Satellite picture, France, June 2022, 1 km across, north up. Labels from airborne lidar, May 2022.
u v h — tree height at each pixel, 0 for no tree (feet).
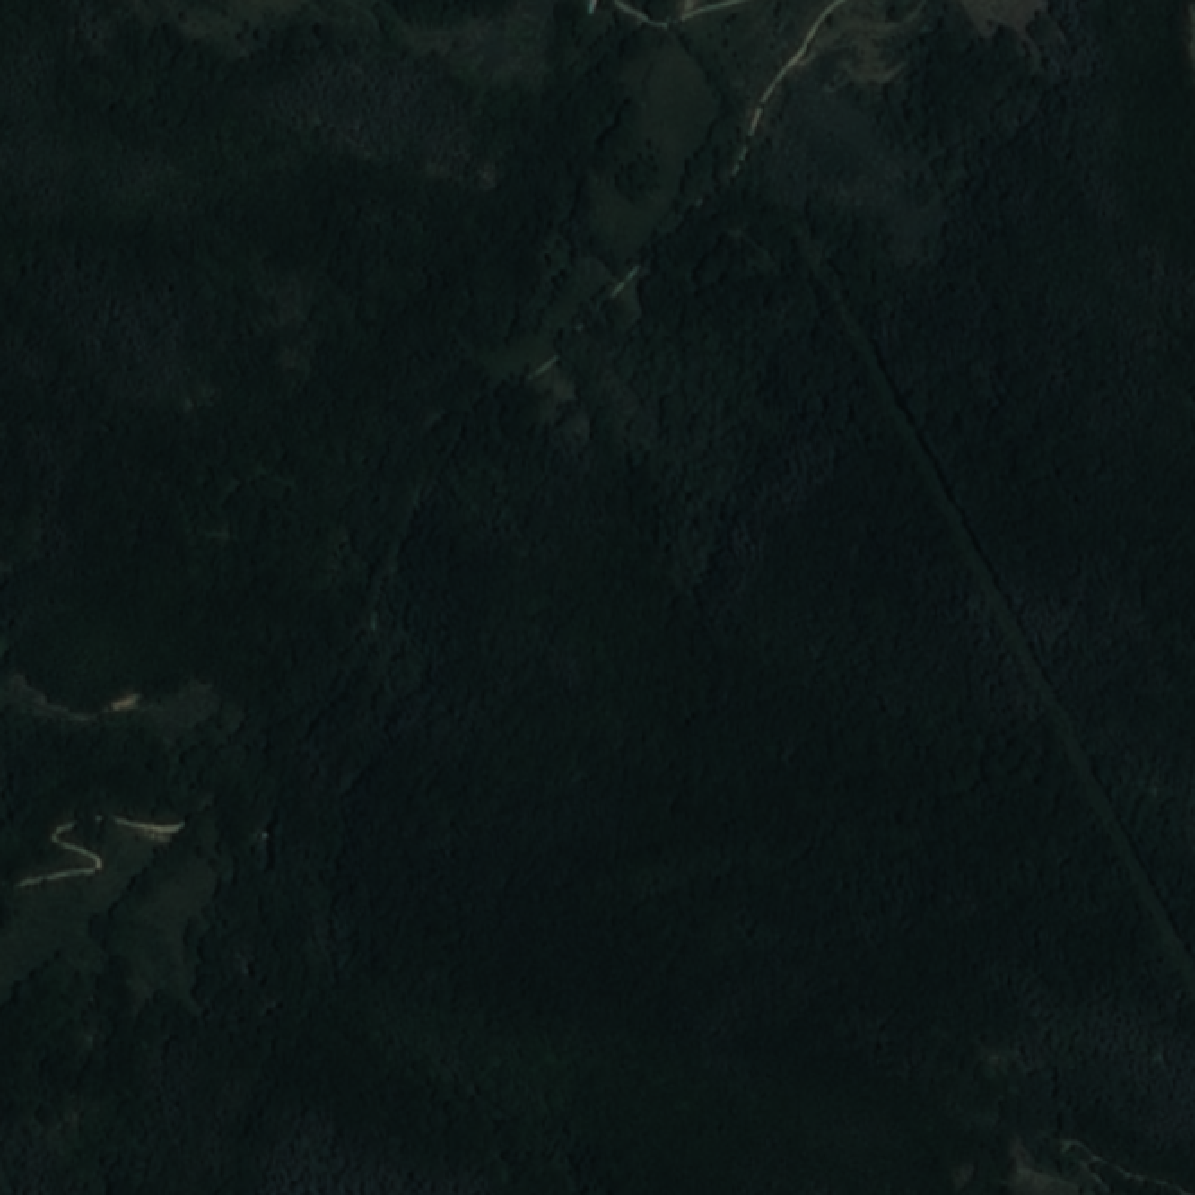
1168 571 46
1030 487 61
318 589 27
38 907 0
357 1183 70
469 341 65
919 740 72
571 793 54
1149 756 24
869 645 51
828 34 0
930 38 52
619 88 45
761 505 65
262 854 53
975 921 57
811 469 52
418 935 83
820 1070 47
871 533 45
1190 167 62
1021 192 66
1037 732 52
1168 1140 46
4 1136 41
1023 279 48
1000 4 0
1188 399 61
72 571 61
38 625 59
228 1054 59
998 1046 28
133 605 62
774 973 60
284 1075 74
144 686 33
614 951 54
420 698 44
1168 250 62
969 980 46
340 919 51
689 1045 58
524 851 50
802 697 88
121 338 57
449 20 53
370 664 42
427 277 72
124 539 66
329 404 62
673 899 66
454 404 31
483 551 50
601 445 54
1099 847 49
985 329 57
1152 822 51
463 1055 51
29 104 63
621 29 48
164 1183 63
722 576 57
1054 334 60
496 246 70
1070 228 61
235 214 85
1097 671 49
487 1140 85
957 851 64
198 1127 65
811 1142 52
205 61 35
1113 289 56
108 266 72
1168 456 48
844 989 39
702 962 56
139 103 20
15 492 45
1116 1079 52
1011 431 84
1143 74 45
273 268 34
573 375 28
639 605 82
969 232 46
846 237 38
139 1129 48
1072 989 37
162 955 0
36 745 68
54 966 36
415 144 46
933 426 66
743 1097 45
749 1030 54
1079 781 56
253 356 34
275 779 65
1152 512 60
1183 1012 47
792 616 66
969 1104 34
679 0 0
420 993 59
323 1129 70
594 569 68
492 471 35
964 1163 46
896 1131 44
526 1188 89
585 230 71
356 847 42
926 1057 40
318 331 26
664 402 41
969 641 38
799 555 62
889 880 55
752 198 42
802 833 55
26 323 90
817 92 0
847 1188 52
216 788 34
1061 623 45
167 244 94
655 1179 61
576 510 58
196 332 59
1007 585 54
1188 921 46
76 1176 41
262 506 58
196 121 49
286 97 48
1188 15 48
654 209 0
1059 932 58
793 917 48
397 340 72
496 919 59
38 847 45
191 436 66
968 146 31
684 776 87
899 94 26
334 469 36
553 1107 73
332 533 51
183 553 57
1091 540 56
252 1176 79
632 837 67
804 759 89
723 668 96
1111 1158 39
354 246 51
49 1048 39
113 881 0
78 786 75
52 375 59
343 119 51
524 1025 64
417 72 44
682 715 93
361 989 79
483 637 69
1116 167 38
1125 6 46
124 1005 28
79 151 36
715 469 22
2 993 0
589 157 58
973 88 40
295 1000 76
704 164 44
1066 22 36
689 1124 78
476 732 74
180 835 30
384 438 37
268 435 33
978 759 57
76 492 68
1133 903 33
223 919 30
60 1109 33
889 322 50
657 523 44
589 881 58
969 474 63
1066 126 53
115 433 60
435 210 78
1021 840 60
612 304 50
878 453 80
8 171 27
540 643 42
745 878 77
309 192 95
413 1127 75
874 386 75
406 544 51
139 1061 59
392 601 44
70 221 59
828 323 52
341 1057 106
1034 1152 40
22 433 52
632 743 60
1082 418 68
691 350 26
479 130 35
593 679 55
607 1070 61
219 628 79
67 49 31
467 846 54
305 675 66
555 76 26
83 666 35
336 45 22
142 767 61
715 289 52
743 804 98
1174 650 47
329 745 54
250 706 52
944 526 47
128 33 33
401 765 57
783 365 78
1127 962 34
